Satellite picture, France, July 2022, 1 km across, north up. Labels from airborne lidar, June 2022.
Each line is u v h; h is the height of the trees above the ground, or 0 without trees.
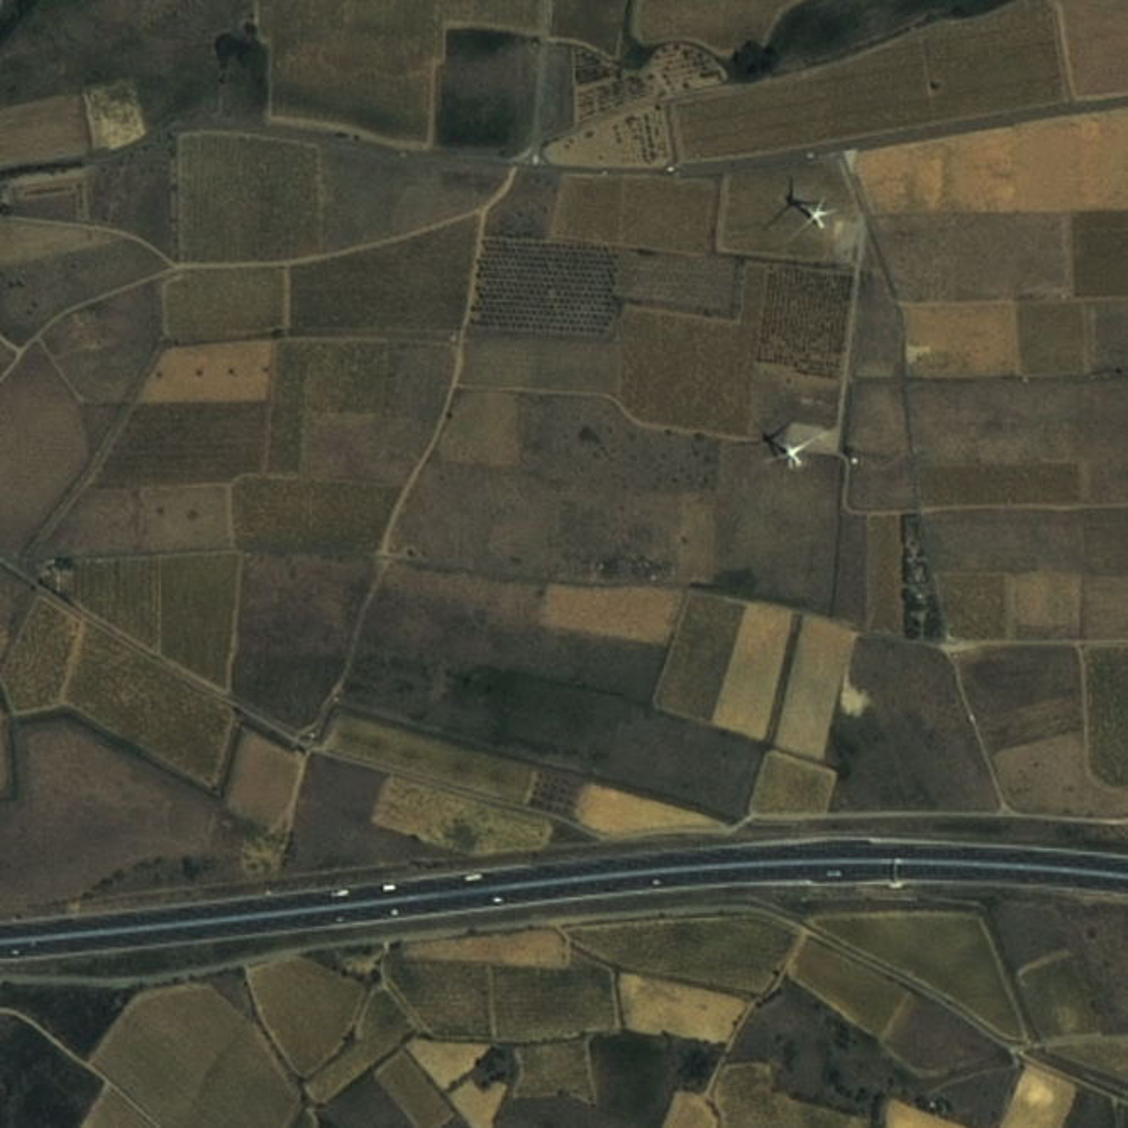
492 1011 0
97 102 0
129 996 7
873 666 0
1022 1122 0
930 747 0
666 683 0
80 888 0
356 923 0
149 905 0
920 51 0
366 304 0
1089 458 0
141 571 0
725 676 0
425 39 0
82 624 0
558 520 0
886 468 0
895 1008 0
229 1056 0
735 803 0
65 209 0
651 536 0
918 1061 0
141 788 0
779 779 0
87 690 0
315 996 0
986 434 0
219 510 0
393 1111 0
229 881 0
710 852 0
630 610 0
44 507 0
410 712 0
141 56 0
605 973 0
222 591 0
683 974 0
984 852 0
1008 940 0
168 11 0
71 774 0
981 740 0
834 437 0
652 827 0
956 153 0
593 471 0
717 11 0
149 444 0
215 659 0
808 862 0
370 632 0
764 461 0
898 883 0
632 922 0
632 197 0
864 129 0
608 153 0
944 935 0
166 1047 0
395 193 0
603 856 0
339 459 0
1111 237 0
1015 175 0
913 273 0
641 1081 0
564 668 0
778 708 0
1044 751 0
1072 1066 0
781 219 0
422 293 0
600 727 0
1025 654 0
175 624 0
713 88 0
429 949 0
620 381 0
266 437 0
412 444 0
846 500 0
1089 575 0
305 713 0
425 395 0
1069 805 0
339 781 0
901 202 0
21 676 0
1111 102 0
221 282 0
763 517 0
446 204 0
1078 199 0
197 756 0
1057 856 0
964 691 0
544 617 0
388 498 0
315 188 0
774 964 0
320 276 0
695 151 0
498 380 0
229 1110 0
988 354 0
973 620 0
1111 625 0
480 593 0
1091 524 0
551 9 0
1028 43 0
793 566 0
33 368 0
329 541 0
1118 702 0
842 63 0
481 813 0
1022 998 0
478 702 0
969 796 0
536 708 0
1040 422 0
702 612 0
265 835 0
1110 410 0
